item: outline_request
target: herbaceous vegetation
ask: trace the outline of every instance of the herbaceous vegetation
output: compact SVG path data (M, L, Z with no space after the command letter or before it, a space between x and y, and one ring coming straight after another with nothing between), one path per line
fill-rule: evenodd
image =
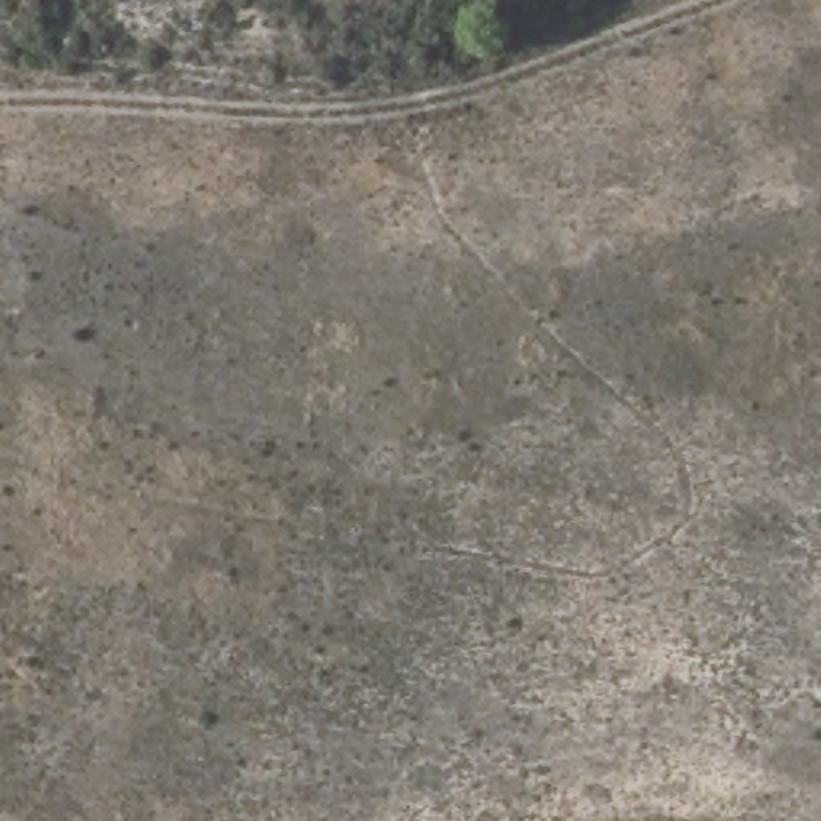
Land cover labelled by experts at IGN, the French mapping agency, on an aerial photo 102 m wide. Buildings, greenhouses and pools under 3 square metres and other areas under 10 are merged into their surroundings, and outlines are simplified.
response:
M212 0L138 0L115 3L115 19L135 38L157 38L164 29L176 32L173 51L189 51L192 45L199 45L202 6L212 6Z
M183 74L189 83L228 83L228 67L170 61L173 71Z
M244 19L250 29L237 32L231 42L215 42L218 55L273 55L273 29L263 26L263 10L250 6L237 10L237 19Z
M561 67L548 67L539 77L475 93L475 103L468 106L417 112L388 122L321 125L321 119L311 115L311 109L350 112L350 103L208 99L135 90L93 90L80 74L35 71L29 64L0 61L0 90L77 87L80 99L90 99L90 106L10 106L10 99L0 99L0 821L821 821L821 0L706 0L657 22L645 22L648 35L635 32L635 38L629 42L603 45L597 55L577 58Z

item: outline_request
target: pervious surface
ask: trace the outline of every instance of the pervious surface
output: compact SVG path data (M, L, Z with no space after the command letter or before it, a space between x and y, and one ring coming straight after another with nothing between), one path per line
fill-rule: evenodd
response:
M311 109L311 115L321 119L321 125L388 122L417 112L468 106L475 103L475 93L539 77L548 67L561 67L577 58L597 55L603 45L629 42L635 38L635 32L648 35L645 22L657 22L706 0L632 0L629 19L606 26L587 38L542 48L529 58L513 61L504 71L414 93L350 103L350 112Z
M90 106L90 99L80 99L77 87L0 90L0 99L10 99L10 106Z

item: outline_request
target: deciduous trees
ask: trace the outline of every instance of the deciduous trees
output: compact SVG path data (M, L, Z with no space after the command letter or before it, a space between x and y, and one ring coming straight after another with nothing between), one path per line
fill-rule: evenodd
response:
M500 48L500 26L494 10L487 10L484 3L471 3L459 10L452 35L465 55L481 58Z

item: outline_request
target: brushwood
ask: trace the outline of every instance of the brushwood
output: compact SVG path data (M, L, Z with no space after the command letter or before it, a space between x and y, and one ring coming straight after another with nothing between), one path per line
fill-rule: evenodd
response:
M93 90L135 90L208 99L350 103L414 93L504 71L513 61L529 58L542 48L587 38L606 26L629 19L632 0L212 0L212 6L202 6L199 45L192 45L189 51L173 51L176 32L164 29L157 38L135 38L115 19L115 3L138 0L0 0L0 61L29 64L35 71L80 74ZM481 58L465 55L452 35L459 10L471 3L484 3L487 10L494 10L500 26L500 48ZM263 10L263 26L273 29L273 55L218 55L215 42L231 42L237 32L250 29L244 19L237 19L237 10L250 6ZM170 61L228 67L228 83L189 83L183 74L173 71Z

